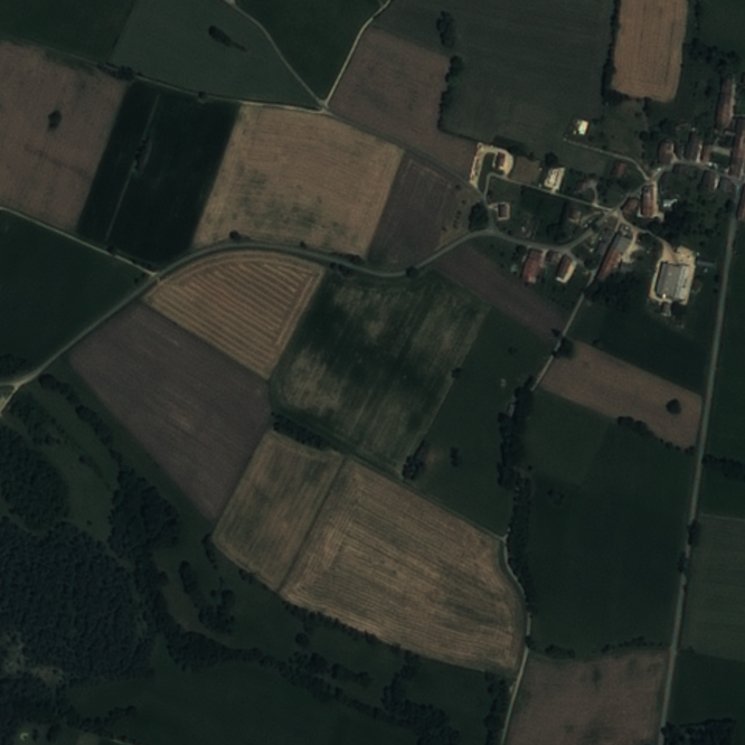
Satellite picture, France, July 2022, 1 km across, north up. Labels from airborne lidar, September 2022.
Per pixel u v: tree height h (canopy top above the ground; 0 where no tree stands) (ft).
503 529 0
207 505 0
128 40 0
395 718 33
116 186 0
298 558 0
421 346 0
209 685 0
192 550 0
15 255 0
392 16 0
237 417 0
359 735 0
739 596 0
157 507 74
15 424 0
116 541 45
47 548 58
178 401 0
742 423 0
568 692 0
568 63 0
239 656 43
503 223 0
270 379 0
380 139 0
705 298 0
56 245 0
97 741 0
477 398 0
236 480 0
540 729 0
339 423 0
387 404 0
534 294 0
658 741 0
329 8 0
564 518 0
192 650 66
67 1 0
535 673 0
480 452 0
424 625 0
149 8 0
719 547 0
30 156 0
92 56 0
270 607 0
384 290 0
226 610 65
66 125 0
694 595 0
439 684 0
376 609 0
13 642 30
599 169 0
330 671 30
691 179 18
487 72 0
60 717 52
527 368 0
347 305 0
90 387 0
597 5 0
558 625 0
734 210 41
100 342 0
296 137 0
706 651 0
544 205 0
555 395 0
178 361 0
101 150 0
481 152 0
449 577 0
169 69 0
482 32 0
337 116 0
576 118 0
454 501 0
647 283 0
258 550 0
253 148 0
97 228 0
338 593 0
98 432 53
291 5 0
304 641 58
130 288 0
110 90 0
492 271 0
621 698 0
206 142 0
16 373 29
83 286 0
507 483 59
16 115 0
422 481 0
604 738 0
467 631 0
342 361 0
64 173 0
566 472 0
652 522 0
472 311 0
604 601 0
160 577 70
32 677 37
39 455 18
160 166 0
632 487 0
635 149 0
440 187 0
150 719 0
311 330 0
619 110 0
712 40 0
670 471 0
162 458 0
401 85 0
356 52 0
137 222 0
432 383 0
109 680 29
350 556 0
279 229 0
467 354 0
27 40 0
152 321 0
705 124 43
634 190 0
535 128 0
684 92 0
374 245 0
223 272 0
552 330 0
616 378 0
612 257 0
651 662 0
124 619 61
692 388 0
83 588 62
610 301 60
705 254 0
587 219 0
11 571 59
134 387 0
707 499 0
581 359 0
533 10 0
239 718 0
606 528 0
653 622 0
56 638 52
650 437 40
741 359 0
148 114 0
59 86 0
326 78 0
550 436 0
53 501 39
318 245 0
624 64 0
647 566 0
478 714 0
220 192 0
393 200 0
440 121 24
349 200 0
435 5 0
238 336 0
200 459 0
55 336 0
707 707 0
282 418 36
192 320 0
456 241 0
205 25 0
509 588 0
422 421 0
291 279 0
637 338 0
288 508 0
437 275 0
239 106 0
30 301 0
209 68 0
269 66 0
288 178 0
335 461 0
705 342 0
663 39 0
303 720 0
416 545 0
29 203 0
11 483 61
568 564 0
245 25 0
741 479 61
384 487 0
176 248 0
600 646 0
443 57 0
